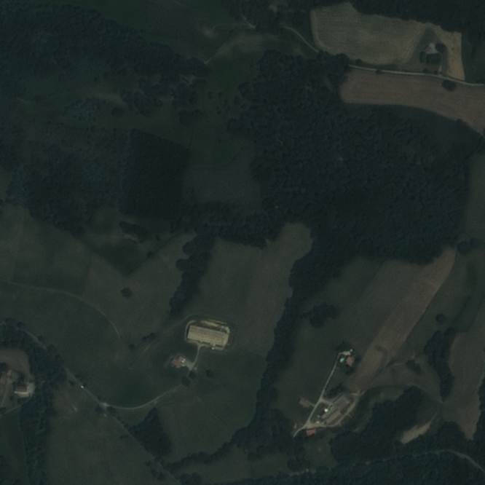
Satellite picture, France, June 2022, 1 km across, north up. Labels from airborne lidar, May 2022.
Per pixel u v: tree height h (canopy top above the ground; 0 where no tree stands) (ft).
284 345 57
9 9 76
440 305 0
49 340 0
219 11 0
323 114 88
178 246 0
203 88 29
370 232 72
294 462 57
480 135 23
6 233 0
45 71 66
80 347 0
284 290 0
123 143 25
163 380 0
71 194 24
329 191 78
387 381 0
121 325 0
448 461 49
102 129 41
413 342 0
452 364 0
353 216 23
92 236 0
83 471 0
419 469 55
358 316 0
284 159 98
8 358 0
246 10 38
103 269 0
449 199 91
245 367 0
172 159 74
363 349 0
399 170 101
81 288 0
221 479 0
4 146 38
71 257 0
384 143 95
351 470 66
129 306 0
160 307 0
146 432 72
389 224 58
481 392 47
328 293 0
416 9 57
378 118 46
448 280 0
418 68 0
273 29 52
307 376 0
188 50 0
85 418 0
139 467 0
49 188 53
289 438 68
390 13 56
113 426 0
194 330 0
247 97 106
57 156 37
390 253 98
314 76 92
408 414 64
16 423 0
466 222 0
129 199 92
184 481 43
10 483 35
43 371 73
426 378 0
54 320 0
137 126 0
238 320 0
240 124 91
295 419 0
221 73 0
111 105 0
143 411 0
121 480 0
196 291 51
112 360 0
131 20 0
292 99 111
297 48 0
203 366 0
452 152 44
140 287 0
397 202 76
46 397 76
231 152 0
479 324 0
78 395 0
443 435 56
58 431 0
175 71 87
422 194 96
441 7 49
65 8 61
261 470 0
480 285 0
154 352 0
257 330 0
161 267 0
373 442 54
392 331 0
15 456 0
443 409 0
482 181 0
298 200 126
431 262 82
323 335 0
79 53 52
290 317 61
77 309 0
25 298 0
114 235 0
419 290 0
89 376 0
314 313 52
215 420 0
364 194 85
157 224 0
